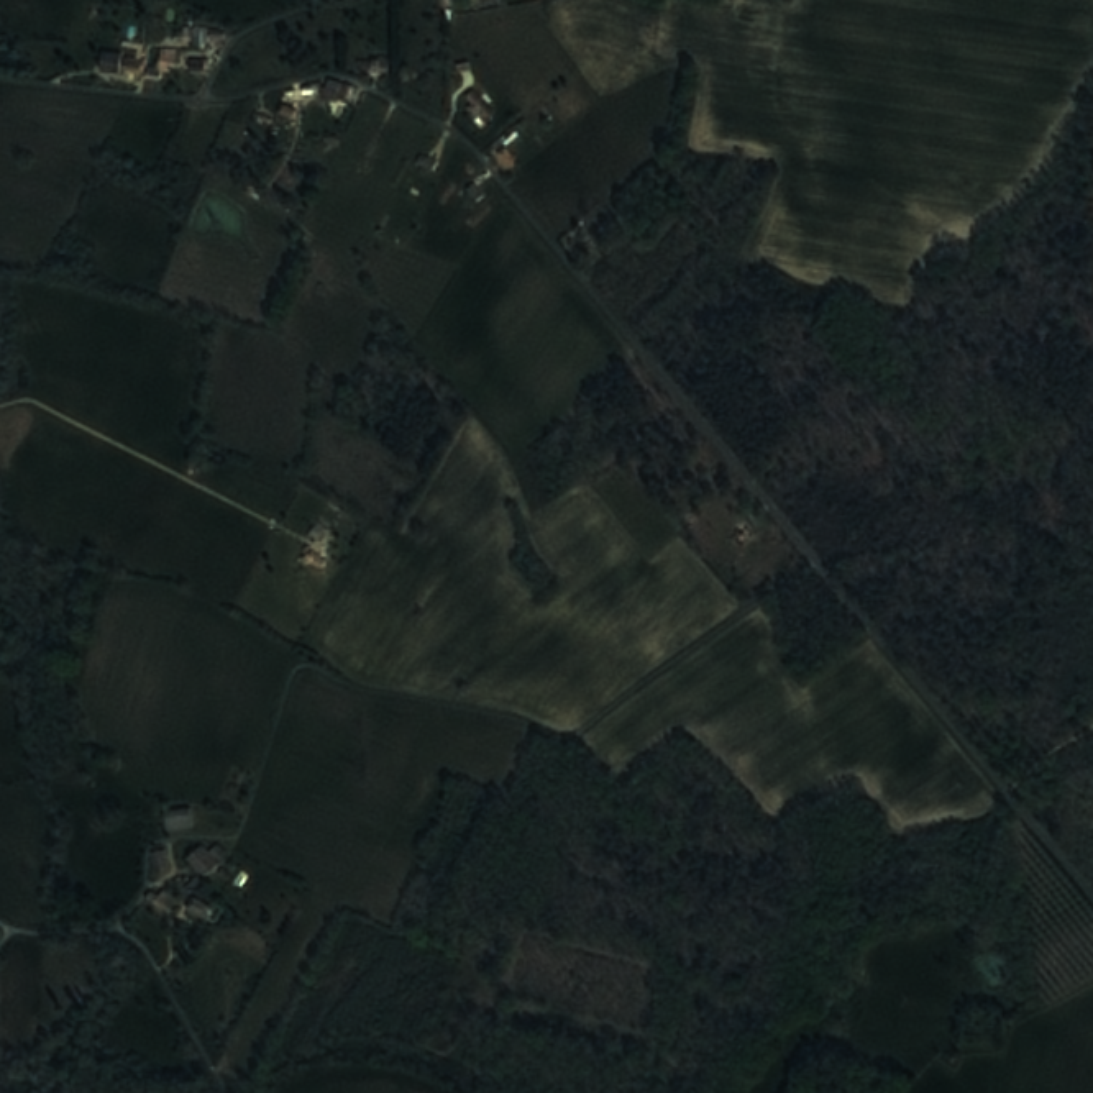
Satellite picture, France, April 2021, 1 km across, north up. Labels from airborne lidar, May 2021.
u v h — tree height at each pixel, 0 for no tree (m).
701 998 9
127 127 0
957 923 15
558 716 0
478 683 0
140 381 0
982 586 13
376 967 7
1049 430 17
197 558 0
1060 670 7
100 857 0
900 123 0
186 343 0
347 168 0
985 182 0
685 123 14
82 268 12
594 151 0
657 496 21
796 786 0
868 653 0
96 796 0
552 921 18
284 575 0
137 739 0
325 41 11
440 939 17
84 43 0
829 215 0
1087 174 12
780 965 16
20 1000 0
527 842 17
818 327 16
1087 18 0
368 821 0
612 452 16
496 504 0
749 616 0
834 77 0
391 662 0
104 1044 7
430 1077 13
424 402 20
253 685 0
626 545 0
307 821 0
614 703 0
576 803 17
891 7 0
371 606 0
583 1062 21
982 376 15
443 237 0
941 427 20
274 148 17
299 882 8
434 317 0
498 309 0
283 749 0
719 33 0
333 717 0
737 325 24
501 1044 20
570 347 0
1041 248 13
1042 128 0
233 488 0
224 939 0
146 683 0
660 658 0
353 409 17
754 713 0
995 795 0
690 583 0
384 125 0
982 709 15
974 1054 0
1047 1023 0
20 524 0
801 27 0
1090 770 18
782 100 0
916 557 13
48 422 0
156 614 0
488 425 0
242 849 0
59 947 20
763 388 22
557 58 0
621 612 0
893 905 23
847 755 0
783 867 20
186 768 0
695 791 10
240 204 0
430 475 15
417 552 0
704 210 11
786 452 10
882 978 0
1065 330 16
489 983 12
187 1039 13
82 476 0
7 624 14
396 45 10
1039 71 0
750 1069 20
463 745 0
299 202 13
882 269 0
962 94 0
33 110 0
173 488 0
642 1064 21
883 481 15
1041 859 21
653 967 14
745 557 0
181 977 12
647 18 0
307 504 0
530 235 0
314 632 0
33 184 0
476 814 9
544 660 0
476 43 0
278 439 0
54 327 0
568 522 0
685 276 13
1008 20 0
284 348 0
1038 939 18
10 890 0
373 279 9
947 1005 0
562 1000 9
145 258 0
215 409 0
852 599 21
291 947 0
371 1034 11
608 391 18
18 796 0
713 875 16
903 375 18
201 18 11
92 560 16
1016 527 18
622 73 0
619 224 18
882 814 18
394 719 0
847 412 17
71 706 17
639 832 14
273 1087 13
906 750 0
